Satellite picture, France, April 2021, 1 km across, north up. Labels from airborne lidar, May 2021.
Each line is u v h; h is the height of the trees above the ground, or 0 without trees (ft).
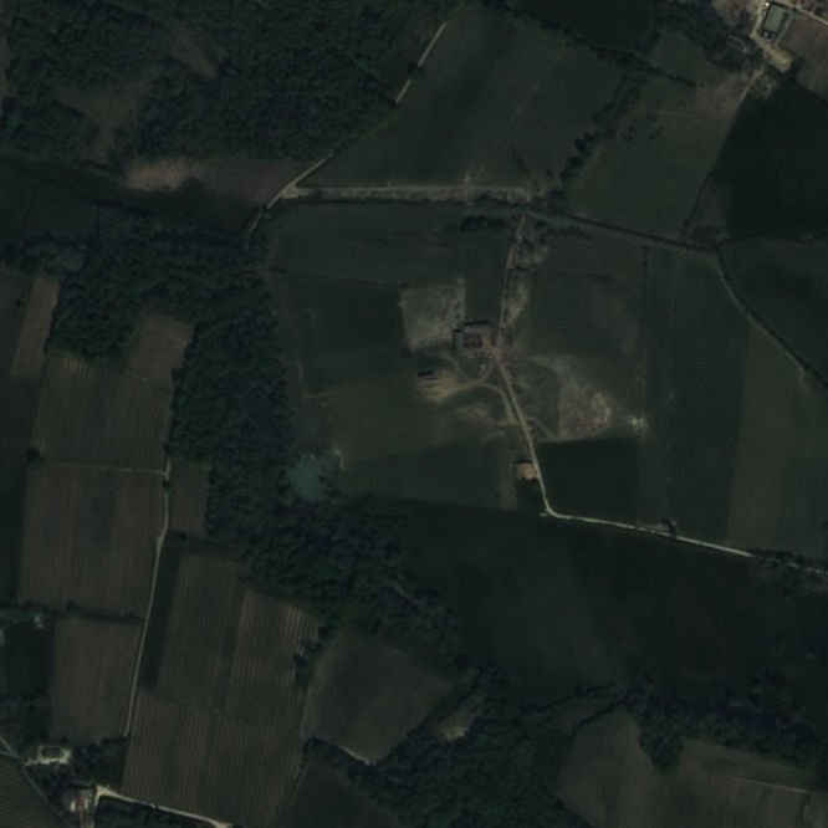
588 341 0
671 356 0
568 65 0
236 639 0
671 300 0
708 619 0
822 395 0
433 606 66
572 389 0
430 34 0
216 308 65
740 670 0
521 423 0
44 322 0
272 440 65
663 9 27
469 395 0
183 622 0
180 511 0
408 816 73
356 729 0
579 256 0
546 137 0
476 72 0
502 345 0
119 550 0
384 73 22
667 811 0
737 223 0
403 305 0
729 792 0
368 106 60
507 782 86
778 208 0
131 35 61
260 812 0
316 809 0
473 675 75
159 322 0
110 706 0
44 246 53
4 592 0
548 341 0
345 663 0
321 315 0
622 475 0
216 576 0
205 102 64
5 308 0
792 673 0
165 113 62
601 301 0
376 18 64
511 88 0
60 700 0
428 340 0
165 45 56
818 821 0
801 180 0
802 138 0
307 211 0
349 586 81
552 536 0
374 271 0
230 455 71
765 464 0
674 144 0
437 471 0
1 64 0
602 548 0
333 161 28
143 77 66
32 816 0
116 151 22
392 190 0
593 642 0
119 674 0
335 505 24
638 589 0
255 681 0
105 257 83
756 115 0
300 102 23
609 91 0
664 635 0
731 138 0
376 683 0
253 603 0
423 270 0
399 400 0
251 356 81
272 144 45
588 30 0
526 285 0
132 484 0
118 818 41
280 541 59
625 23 0
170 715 0
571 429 0
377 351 0
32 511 0
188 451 43
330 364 0
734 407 0
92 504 0
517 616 0
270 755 0
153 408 0
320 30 54
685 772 0
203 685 0
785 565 60
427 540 0
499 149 0
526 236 0
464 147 0
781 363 0
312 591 87
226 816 0
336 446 0
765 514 0
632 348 0
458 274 0
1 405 0
